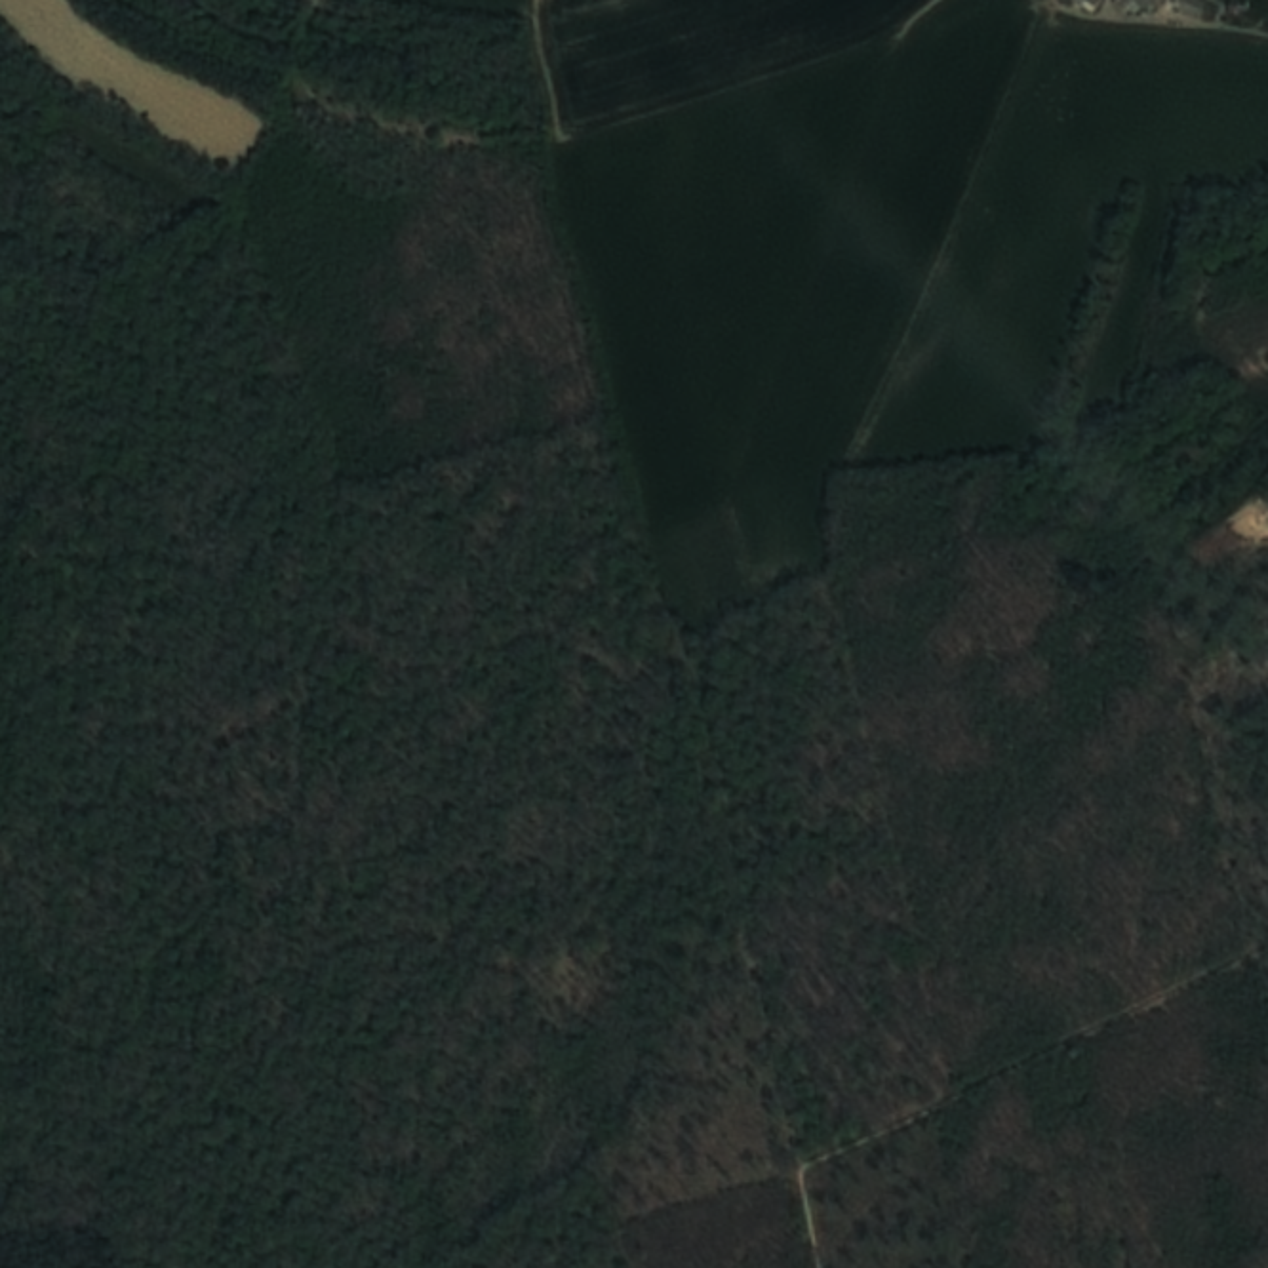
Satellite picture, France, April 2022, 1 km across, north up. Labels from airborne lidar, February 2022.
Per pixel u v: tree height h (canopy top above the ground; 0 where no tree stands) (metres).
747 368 0
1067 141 0
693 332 0
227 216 23
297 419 24
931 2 0
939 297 0
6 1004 16
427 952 24
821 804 29
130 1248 26
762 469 0
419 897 19
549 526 23
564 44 0
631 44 0
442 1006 25
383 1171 21
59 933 21
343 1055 22
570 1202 23
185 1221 23
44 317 29
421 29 16
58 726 24
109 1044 23
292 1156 24
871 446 0
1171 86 0
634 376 0
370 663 21
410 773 22
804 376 0
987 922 13
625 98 0
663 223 0
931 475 17
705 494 0
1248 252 23
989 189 0
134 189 19
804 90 0
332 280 8
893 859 22
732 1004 27
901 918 23
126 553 28
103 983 25
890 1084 26
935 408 0
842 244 0
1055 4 0
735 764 26
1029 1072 16
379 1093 24
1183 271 25
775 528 0
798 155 0
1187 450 26
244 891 24
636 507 21
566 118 0
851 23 0
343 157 19
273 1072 22
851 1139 20
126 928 28
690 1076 0
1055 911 16
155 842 22
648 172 0
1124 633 16
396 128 0
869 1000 27
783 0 0
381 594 25
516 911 24
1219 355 0
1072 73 0
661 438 0
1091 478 27
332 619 27
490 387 13
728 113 0
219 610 24
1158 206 0
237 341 28
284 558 24
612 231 0
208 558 24
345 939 25
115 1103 25
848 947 25
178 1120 30
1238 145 0
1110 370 0
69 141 18
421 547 24
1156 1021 11
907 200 0
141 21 27
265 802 24
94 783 25
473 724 27
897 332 0
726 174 0
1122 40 0
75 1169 24
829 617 26
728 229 0
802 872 22
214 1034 27
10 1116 25
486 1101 26
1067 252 0
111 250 24
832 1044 30
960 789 16
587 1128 14
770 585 0
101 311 28
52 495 19
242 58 25
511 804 24
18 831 21
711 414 0
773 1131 0
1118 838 15
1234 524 0
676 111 0
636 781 24
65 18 0
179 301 26
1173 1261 12
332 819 24
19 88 27
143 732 22
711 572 0
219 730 25
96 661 26
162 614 22
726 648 25
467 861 24
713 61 0
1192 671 0
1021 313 0
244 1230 24
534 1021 24
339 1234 25
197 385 27
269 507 28
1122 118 0
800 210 0
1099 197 0
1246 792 23
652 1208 24
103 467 17
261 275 22
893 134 0
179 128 0
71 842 27
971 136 0
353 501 28
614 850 18
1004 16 0
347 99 10
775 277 0
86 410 13
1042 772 15
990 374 0
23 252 25
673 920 28
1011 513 21
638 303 0
